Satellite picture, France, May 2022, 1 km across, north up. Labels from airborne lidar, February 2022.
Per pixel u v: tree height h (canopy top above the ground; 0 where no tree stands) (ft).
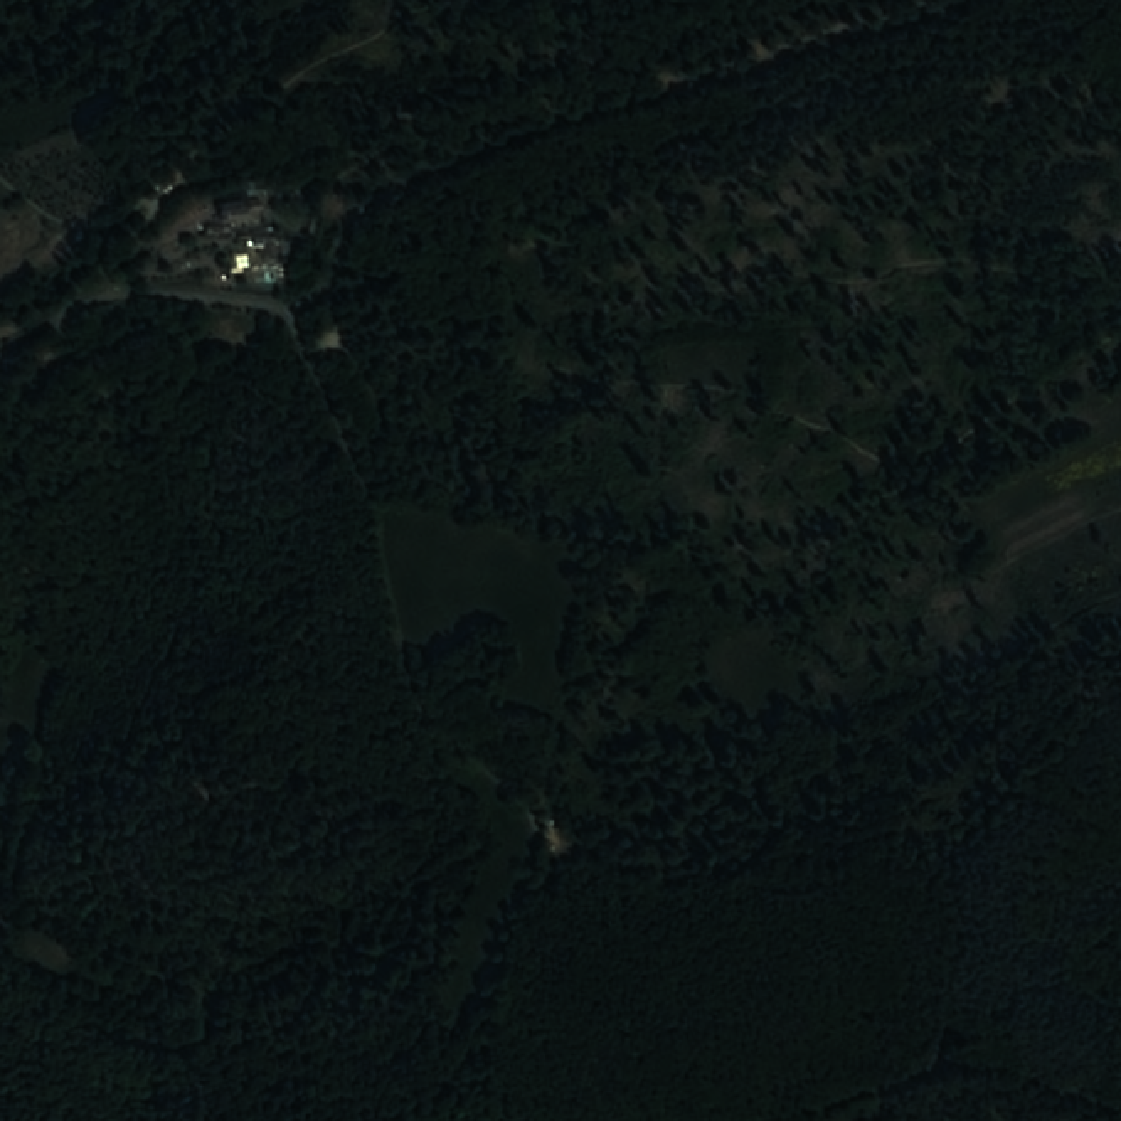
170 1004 68
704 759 124
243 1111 93
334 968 33
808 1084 68
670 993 56
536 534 28
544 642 0
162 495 98
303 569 73
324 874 93
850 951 67
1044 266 76
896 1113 78
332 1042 72
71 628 91
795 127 94
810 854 36
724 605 116
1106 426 0
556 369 0
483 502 98
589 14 103
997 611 0
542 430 110
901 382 0
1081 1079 40
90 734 43
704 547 121
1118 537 0
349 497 66
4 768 81
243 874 95
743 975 55
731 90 77
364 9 0
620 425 0
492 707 86
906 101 74
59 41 40
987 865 103
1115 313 89
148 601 89
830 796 84
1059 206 25
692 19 65
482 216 115
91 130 95
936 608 0
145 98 42
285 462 65
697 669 103
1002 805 107
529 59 104
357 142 53
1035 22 96
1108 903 92
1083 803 73
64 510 101
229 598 81
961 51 77
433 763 82
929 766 0
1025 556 0
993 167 100
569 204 110
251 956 101
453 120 103
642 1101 65
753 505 0
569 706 32
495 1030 87
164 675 61
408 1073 99
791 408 0
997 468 104
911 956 73
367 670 89
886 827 40
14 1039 83
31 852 100
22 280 55
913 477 109
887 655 0
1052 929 105
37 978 72
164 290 0
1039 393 36
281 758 86
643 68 102
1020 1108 81
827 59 95
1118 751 59
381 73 30
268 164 55
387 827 82
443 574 0
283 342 51
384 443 81
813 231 119
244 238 0
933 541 0
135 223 84
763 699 0
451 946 75
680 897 70
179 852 52
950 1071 120
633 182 66
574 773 0
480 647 31
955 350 0
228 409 94
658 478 0
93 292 0
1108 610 0
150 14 114
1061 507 0
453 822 86
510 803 71
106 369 92
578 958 66
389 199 99
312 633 74
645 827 64
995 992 96
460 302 94
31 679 0
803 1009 49
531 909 64
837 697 0
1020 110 97
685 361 0
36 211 0
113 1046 90
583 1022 56
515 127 99
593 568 62
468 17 113
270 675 80
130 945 99
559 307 0
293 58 30
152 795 95
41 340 57
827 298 108
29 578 92
